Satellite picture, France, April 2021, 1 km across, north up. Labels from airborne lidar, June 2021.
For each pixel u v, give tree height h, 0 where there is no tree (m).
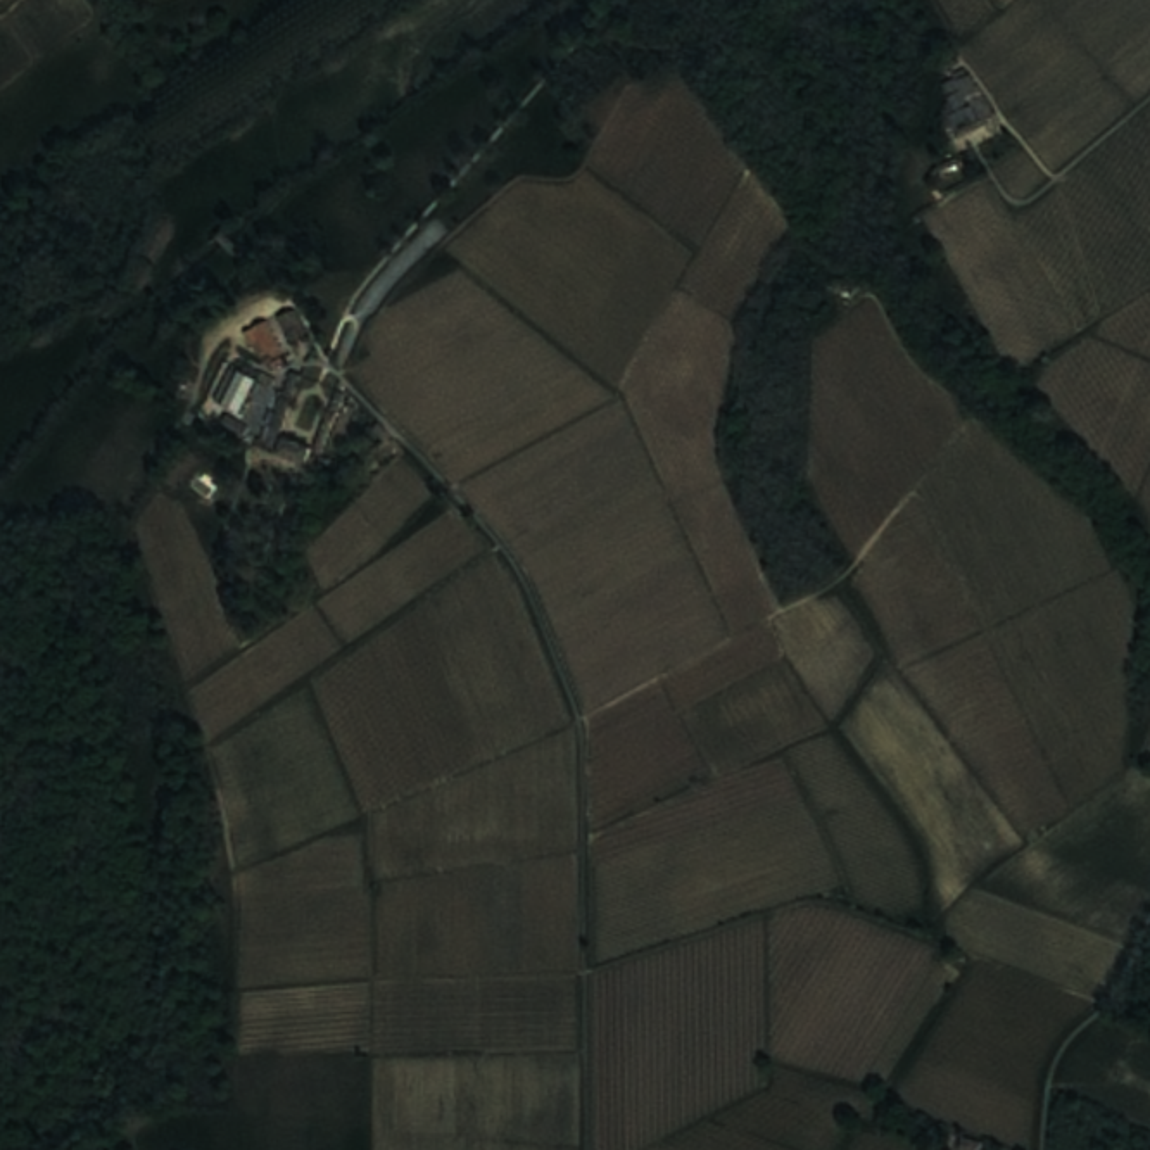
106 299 19
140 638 21
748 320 17
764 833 0
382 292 0
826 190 18
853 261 18
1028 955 0
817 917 0
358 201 0
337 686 0
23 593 21
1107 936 0
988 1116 0
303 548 20
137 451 0
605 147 0
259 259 17
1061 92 0
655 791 0
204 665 0
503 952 0
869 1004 0
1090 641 0
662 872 0
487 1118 0
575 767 0
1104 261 0
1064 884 0
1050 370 0
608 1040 0
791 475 17
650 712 0
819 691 0
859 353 0
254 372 13
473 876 0
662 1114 0
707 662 0
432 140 0
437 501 15
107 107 0
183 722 16
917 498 0
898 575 0
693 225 0
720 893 0
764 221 0
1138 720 15
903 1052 0
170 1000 21
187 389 0
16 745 19
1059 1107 8
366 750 0
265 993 0
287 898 0
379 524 0
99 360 12
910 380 0
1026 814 0
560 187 0
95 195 14
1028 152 0
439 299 0
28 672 13
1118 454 0
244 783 0
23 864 22
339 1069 0
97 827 19
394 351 0
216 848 10
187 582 0
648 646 0
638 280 0
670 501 0
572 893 0
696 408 0
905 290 19
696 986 0
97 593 24
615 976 0
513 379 0
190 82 26
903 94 24
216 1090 11
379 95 0
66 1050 22
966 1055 0
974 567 0
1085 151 0
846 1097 0
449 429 0
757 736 0
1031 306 0
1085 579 0
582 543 0
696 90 14
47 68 0
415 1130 0
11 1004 23
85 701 21
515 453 0
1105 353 0
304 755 0
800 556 19
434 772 0
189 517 0
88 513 27
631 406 0
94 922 13
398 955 0
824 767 0
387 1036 0
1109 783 0
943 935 0
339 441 9
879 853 0
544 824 0
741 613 0
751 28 19
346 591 0
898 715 0
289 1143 0
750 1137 0
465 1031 0
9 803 16
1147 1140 12
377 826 0
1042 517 0
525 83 0
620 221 0
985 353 15
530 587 0
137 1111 21
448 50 0
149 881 13
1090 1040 0
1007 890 0
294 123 0
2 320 33
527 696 0
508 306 0
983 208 0
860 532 0
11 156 0
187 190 0
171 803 21
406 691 0
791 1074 0
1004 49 0
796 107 13
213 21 14
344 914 0
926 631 0
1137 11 0
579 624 0
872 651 0
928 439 0
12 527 13
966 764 0
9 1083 24
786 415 19
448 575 0
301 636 0
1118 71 0
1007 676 0
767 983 0
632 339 0
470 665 0
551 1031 0
